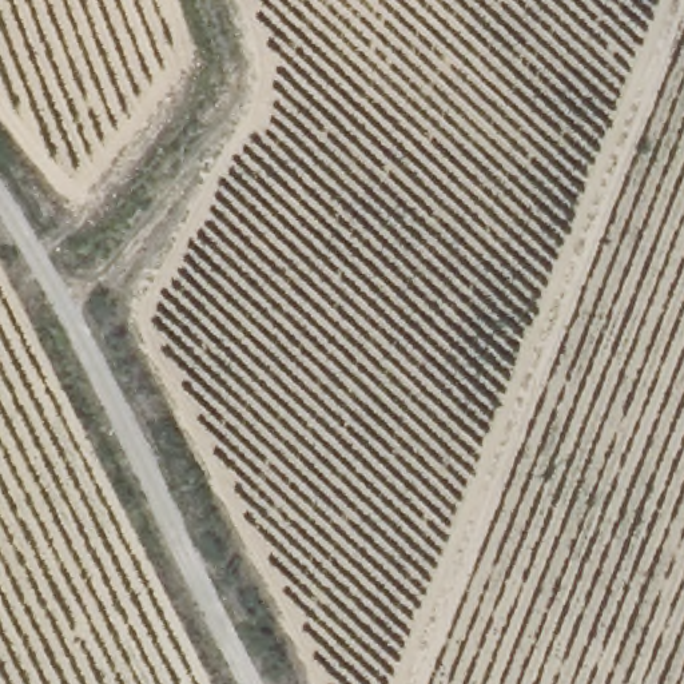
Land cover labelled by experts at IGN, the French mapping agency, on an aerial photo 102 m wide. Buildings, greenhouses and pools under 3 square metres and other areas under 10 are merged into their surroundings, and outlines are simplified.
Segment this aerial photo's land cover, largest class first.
<instances>
[{"label":"vineyard","instance_id":"1","mask_svg":"<svg viewBox=\"0 0 684 684\"><path fill-rule=\"evenodd\" d=\"M211 43L195 0H0V168H8L13 163L21 166V171H29L32 166H37L45 182L64 198V206L75 214V222L86 227L94 211H102L107 192L128 182L134 166L158 139L160 128L171 120L174 107L182 104L184 80L195 67V48L200 51ZM262 5L257 21L270 32L267 48L278 56V75L273 83L275 102L270 123L281 134H286V142H281V136L273 131H259L246 139L238 155H232L230 171L216 184V200L211 206L208 222L198 230L195 238H190L176 278L171 281V286L160 291L152 326L166 337L163 355L192 379H184L182 387L200 406V428L216 438L214 457L235 473V494L246 502V524L254 532H259V537L270 545V566L286 577L283 593L305 615L302 631L315 641L313 657L331 676L329 684H387L395 663L401 660L403 641L409 639L411 617L428 593L430 574L436 572L438 558L446 548L449 526L460 508L462 492L470 476L476 473L481 444L492 428V419L500 409V398L510 382V371L518 358L521 337L540 310V294L548 286L553 262L564 246L566 232L572 230L577 198L585 190L588 168L593 166L601 150L604 134L612 128V112L620 102L625 80L631 77V61L647 37V27L652 21L657 0H259ZM428 684H684V21L679 24V37L673 43L668 67L657 86L652 110L644 120L641 136L636 142L620 190L612 200L604 232L580 283L574 310L564 326L542 390L534 401L521 446L513 454L497 508L486 524L484 540L465 580L462 596L454 607L444 644L430 668ZM0 684H211V676L206 673L152 564L123 502L118 500L112 481L107 478L96 457L94 444L86 436L83 422L77 419L53 371L48 353L37 339L29 315L11 286V278L5 273L0 275Z\"/></svg>","mask_w":684,"mask_h":684},{"label":"plowed land","instance_id":"2","mask_svg":"<svg viewBox=\"0 0 684 684\"><path fill-rule=\"evenodd\" d=\"M262 5L259 0H232L230 16L240 32V48L248 59L246 102L232 112V118L238 120L235 134L224 142L219 158H208V171L200 176V187L192 192L187 203V219L179 222L171 232L174 240L171 248L163 254V265L144 267L139 273L128 305V331L134 334L136 347L144 353L158 385L166 390L171 411L195 460L206 470L214 497L219 500L224 516L240 537L243 556L257 569L262 590L273 601L278 628L286 633L289 647L294 649V657L299 660L307 684H329L331 676L313 657L315 641L302 631L305 615L283 593L286 577L270 566V545L259 537V532H254L246 524V502L235 494V473L214 457L216 438L200 428V406L182 387L184 379H192L163 355L166 337L152 326L160 291L171 286V281L176 278L190 238H195L198 230L208 222L211 206L216 200V184L230 171L232 155H238L246 139L259 131H273L281 136V142H286V134H281L270 123L275 102L273 83L278 75V56L267 48L270 32L257 21ZM684 21V0H657L652 21L647 27V37L631 61V77L625 80L620 102L612 112V128L604 134L601 150L593 166L588 168L585 190L577 198L572 230L566 232L564 246L553 262L548 286L540 294V310L521 337L518 358L510 371V382L500 398V409L492 419V428L481 444L476 473L470 476L462 492L460 508L449 526L446 548L438 558L436 572L430 574L428 593L411 617L409 639L403 641L401 660L395 663L387 684H428L430 668L444 644L454 607L462 596L465 580L484 540L486 524L497 508L513 454L521 446L534 401L542 390L564 326L574 310L580 283L604 232L612 200L620 190L636 142L641 136L644 120L652 110L657 86L668 67L673 43L679 37V24Z\"/></svg>","mask_w":684,"mask_h":684},{"label":"herbaceous vegetation","instance_id":"3","mask_svg":"<svg viewBox=\"0 0 684 684\"><path fill-rule=\"evenodd\" d=\"M232 0H195L211 43L200 51L195 48V67L184 80L182 104L174 107L171 120L160 128L158 139L134 166L128 182L107 192L102 211H94L86 227L75 222V214L64 206V198L45 182L37 166H32L29 171H21V166L13 163L8 168H0V192H13L29 227L48 251L51 265L72 289V299L83 307L86 323L91 326V334L102 347L107 366L142 428L158 417H168L171 411L166 390L158 385L144 353L136 347L134 334L128 331V305L139 273L144 267L163 265V254L171 248L174 240L171 232L179 222L187 219V203L192 192L200 187V176L208 171V158H219L224 142L235 134L238 120L232 118V112L246 102L248 59L240 48V32L230 16ZM5 273L11 278V286L29 315L48 302L40 281L32 275L24 257L19 254L13 259L0 251V275ZM206 673L211 676V684H238L230 673V665L219 644L203 623V612L198 609V601L192 599L174 556L168 553L152 564Z\"/></svg>","mask_w":684,"mask_h":684},{"label":"pervious surface","instance_id":"4","mask_svg":"<svg viewBox=\"0 0 684 684\"><path fill-rule=\"evenodd\" d=\"M0 251L13 259L19 254L24 257L32 275L40 281L48 302L61 326L67 329L72 350L77 353L91 379V387L110 417V436H115L123 446L126 462L131 473L139 478L142 492L147 494V505L155 516V524L163 534L168 553L174 556L192 599L198 601V609L203 612V623L219 644L230 665V673L238 684H267L259 676L254 660L248 657L238 631L232 628L216 596V588L208 577V566L187 534L184 518L176 502L171 500L152 444L142 428L107 366L102 347L91 334V326L86 323L83 307L72 299V289L51 265L48 251L29 227L13 192H0Z\"/></svg>","mask_w":684,"mask_h":684},{"label":"brushwood","instance_id":"5","mask_svg":"<svg viewBox=\"0 0 684 684\"><path fill-rule=\"evenodd\" d=\"M152 444L171 500L176 502L184 518L187 534L208 566V577L216 588V596L232 628L238 631L248 657L254 660L259 676L267 684H307L299 660L294 657V649L289 647L286 633L278 628L273 601L262 590L257 569L243 556L240 537L224 516L219 500L214 497L206 470L195 460L171 411L168 417H158L142 428Z\"/></svg>","mask_w":684,"mask_h":684},{"label":"deciduous trees","instance_id":"6","mask_svg":"<svg viewBox=\"0 0 684 684\"><path fill-rule=\"evenodd\" d=\"M37 339L48 353L53 371L77 419L83 422L86 436L94 444L96 457L107 478L112 481L118 500L123 502L152 564L168 553L163 534L155 524V516L147 505V494L142 492L139 478L131 473L126 462L123 446L115 436H110V417L91 387V379L77 353L72 350L67 329L61 326L48 302L29 315Z\"/></svg>","mask_w":684,"mask_h":684}]
</instances>
